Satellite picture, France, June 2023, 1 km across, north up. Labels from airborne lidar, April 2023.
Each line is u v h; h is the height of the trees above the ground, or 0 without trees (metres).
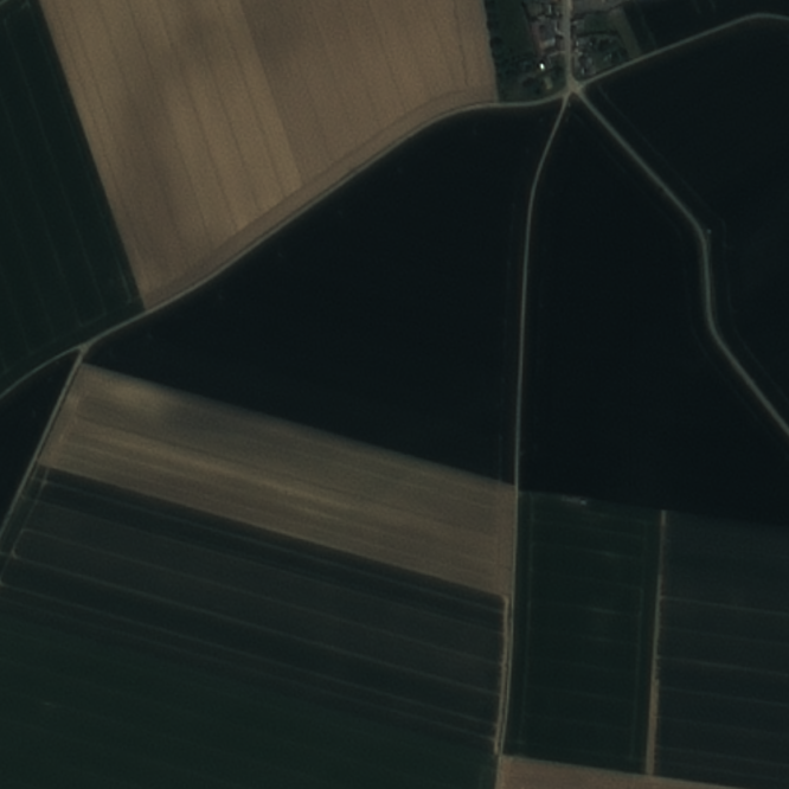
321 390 0
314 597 0
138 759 0
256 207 0
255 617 0
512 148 0
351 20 0
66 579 0
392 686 0
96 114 0
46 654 0
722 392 0
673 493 0
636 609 0
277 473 0
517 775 0
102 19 0
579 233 0
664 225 0
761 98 0
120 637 0
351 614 0
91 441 0
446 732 0
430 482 0
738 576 0
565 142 0
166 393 0
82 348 0
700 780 0
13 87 0
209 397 0
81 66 0
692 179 0
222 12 0
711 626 0
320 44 0
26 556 0
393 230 0
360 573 0
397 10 0
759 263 0
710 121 0
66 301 0
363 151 0
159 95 0
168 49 0
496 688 0
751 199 0
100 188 0
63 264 0
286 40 0
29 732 0
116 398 0
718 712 0
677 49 0
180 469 0
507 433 0
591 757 0
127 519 0
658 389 0
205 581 0
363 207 0
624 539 0
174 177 0
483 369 0
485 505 0
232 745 0
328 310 0
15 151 0
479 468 0
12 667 0
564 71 8
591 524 0
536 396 0
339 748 0
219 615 0
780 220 0
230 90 0
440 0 0
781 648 0
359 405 0
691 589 0
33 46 0
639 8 0
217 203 0
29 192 0
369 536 0
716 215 0
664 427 0
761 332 0
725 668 0
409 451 0
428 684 0
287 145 0
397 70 0
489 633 0
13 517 0
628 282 0
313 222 0
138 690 0
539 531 0
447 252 0
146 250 0
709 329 0
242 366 0
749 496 0
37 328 0
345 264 0
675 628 0
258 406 0
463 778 0
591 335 0
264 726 0
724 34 0
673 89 0
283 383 0
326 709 0
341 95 0
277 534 0
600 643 0
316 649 0
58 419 0
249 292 0
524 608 0
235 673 0
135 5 0
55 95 0
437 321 0
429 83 0
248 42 0
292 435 0
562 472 0
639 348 0
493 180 0
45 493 0
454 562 0
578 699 0
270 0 0
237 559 0
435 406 0
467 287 0
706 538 0
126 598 0
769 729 0
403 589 0
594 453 0
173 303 0
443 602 0
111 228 0
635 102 0
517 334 0
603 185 0
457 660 0
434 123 0
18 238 0
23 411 0
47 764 0
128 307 0
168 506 0
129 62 0
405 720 0
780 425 0
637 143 0
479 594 0
